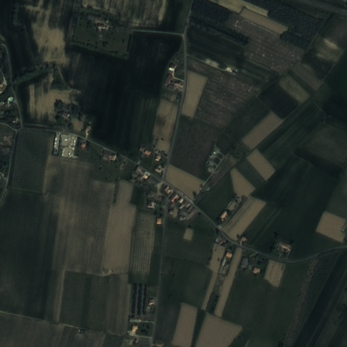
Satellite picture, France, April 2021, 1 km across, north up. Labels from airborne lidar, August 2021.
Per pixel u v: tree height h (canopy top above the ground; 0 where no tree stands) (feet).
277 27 0
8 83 21
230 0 0
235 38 25
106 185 0
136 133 0
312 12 0
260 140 0
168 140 0
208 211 0
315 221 0
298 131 0
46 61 0
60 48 0
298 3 0
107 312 0
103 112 0
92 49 30
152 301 0
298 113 0
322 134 0
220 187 0
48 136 84
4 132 0
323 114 0
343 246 0
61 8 0
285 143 0
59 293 0
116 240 0
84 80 0
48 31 0
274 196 0
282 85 0
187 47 0
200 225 0
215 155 0
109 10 0
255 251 0
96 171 0
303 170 0
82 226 0
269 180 0
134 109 0
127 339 0
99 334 0
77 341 0
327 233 0
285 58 0
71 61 0
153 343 19
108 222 0
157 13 0
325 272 43
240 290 0
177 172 0
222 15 40
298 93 0
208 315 0
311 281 23
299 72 0
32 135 71
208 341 0
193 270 0
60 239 0
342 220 0
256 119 0
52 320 0
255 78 0
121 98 0
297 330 29
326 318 0
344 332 0
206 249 0
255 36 0
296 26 36
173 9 0
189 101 0
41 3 0
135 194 0
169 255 0
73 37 17
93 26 30
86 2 0
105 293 0
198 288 0
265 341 0
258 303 0
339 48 0
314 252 0
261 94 0
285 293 0
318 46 0
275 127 0
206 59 0
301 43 43
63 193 0
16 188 67
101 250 0
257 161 0
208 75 0
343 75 0
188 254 0
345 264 0
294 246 55
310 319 0
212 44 0
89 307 0
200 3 33
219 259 21
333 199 0
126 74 0
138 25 0
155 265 0
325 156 0
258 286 0
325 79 0
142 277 0
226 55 0
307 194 0
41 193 59
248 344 0
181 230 0
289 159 0
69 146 0
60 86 63
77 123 0
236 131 0
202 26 22
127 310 0
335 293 0
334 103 0
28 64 0
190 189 0
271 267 0
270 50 0
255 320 0
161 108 0
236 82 0
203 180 0
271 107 0
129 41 27
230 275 0
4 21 0
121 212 0
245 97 0
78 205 0
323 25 42
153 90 0
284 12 40
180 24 0
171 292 0
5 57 63
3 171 60
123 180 0
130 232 0
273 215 0
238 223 0
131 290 0
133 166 0
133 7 0
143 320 0
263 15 0
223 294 0
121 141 0
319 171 0
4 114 23
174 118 0
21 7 0
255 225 0
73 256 0
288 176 0
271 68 0
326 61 0
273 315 0
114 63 0
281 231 0
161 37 0
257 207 0
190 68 0
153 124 0
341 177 0
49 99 0
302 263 0
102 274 0
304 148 0
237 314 0
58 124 33
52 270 0
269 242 0
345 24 0
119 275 0
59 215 0
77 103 0
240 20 0
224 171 0
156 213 30
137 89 0
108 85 0
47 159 74
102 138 0
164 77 0
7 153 70
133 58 0
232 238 0
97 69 0
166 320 0
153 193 0
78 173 0
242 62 0
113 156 0
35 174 92
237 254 0
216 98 0
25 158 100
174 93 0
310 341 0
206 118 0
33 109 0
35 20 0
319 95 0
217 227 0
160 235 0
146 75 0
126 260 0
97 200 0
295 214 0
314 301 42
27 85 0
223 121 0
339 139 0
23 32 20
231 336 0
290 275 0
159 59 0
